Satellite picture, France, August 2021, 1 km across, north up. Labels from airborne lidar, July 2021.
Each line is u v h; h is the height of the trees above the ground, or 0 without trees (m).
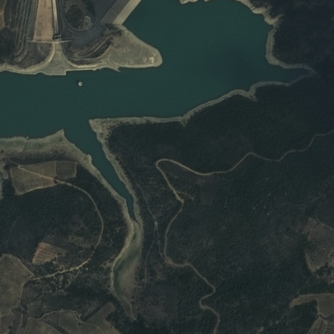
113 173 0
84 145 0
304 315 8
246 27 0
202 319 7
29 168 0
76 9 7
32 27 0
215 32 0
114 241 7
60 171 0
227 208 8
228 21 0
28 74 0
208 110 7
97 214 8
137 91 0
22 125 0
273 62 0
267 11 0
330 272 6
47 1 0
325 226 0
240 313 10
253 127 8
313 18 6
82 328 0
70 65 0
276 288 7
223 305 7
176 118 0
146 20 0
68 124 0
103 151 0
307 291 8
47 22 0
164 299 0
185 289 6
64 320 0
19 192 0
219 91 0
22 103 0
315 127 7
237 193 7
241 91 0
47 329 0
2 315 0
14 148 0
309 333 0
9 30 0
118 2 0
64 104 0
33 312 0
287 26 7
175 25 0
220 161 7
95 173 0
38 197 6
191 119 7
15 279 0
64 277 6
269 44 0
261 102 6
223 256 6
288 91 8
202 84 0
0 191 0
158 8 0
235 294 7
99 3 0
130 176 6
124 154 6
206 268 7
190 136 6
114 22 0
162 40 0
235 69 0
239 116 6
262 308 8
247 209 7
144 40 0
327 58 7
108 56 0
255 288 8
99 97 0
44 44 0
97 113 0
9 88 0
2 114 0
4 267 0
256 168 7
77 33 0
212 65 0
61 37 0
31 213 7
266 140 5
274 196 6
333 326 0
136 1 0
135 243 0
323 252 0
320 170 6
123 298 0
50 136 0
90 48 0
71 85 0
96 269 6
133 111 0
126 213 0
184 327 8
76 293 11
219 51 0
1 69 0
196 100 0
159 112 0
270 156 9
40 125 0
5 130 0
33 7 0
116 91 0
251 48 0
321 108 6
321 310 0
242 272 8
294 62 9
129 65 0
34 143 0
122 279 0
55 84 0
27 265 0
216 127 6
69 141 0
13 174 0
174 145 6
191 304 5
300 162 7
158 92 0
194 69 0
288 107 6
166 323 6
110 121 0
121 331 6
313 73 0
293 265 7
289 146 6
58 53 0
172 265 0
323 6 8
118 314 7
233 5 0
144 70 0
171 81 0
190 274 6
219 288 8
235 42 0
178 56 0
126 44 0
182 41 0
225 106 8
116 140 5
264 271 8
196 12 0
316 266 0
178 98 0
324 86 8
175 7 0
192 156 6
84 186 7
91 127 0
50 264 6
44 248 0
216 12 0
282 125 6
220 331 8
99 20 0
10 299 0
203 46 0
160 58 0
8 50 6
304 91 6
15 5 7
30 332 0
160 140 7
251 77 0
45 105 0
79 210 7
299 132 7
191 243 6
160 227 8
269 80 0
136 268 0
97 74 0
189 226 7
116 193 0
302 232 0
